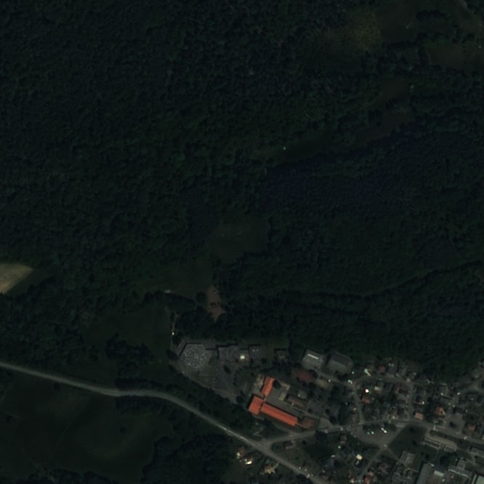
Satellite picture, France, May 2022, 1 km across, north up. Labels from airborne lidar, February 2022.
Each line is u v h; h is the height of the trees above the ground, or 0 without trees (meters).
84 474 0
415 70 12
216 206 20
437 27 0
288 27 28
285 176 29
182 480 25
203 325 20
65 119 19
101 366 0
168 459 31
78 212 22
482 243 31
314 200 30
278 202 30
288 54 25
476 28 0
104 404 0
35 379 0
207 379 0
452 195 25
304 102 23
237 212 23
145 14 27
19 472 0
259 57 37
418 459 0
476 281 21
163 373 0
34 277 0
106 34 23
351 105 24
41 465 0
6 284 0
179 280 0
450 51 0
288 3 29
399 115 0
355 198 33
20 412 0
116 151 21
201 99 27
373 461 0
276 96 20
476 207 23
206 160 8
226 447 20
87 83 22
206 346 0
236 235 0
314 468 0
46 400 0
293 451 0
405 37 0
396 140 24
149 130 27
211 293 0
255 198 26
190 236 24
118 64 19
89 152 21
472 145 31
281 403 0
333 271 24
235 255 0
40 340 29
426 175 25
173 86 13
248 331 25
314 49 6
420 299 28
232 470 0
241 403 17
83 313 20
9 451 0
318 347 24
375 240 24
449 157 28
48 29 24
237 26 38
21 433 0
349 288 23
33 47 23
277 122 28
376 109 0
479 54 0
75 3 28
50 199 16
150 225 9
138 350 10
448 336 23
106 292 27
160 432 0
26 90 16
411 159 39
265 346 0
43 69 20
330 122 23
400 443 0
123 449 0
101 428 0
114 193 21
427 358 18
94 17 24
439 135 32
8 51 23
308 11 28
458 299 25
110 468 0
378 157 29
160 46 28
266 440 0
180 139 27
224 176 31
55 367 19
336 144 0
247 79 40
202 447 18
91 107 13
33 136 21
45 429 0
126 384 30
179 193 23
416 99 15
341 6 27
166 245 28
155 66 30
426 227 23
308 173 33
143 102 20
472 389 0
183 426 23
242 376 0
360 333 26
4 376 24
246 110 28
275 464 0
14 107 20
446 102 24
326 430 0
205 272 0
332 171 32
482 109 23
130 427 0
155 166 28
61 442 0
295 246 15
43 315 27
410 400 0
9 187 16
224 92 27
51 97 18
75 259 28
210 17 37
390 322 20
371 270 24
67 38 24
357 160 26
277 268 28
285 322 27
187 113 28
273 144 30
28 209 16
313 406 0
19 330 27
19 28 26
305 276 22
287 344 0
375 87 23
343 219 24
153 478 17
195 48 21
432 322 32
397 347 16
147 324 0
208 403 0
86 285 28
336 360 0
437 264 21
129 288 28
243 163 26
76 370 0
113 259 32
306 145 0
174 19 21
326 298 24
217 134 28
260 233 0
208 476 20
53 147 23
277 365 18
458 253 18
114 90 18
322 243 19
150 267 29
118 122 22
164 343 0
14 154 10
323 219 25
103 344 0
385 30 0
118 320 0
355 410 0
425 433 0
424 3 0
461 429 0
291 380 0
